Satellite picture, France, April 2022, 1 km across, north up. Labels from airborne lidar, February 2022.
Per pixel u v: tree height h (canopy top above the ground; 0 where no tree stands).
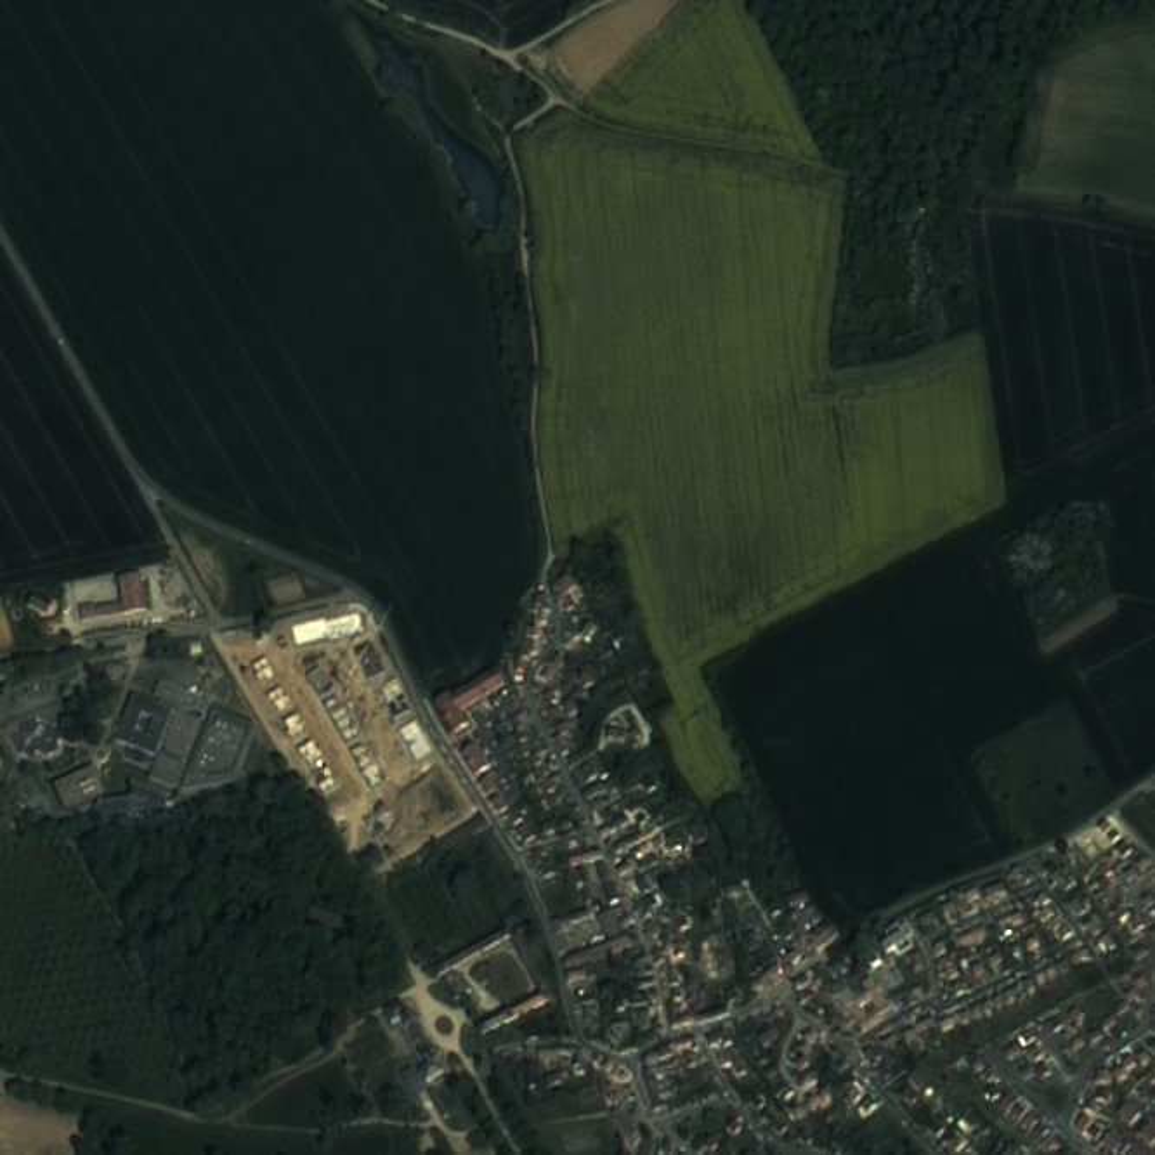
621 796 0
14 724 0
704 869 8
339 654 0
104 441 0
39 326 0
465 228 0
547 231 0
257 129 0
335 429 0
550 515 0
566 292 0
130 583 0
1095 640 0
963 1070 0
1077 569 10
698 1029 0
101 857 26
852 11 24
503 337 12
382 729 0
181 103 0
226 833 30
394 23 10
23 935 8
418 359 0
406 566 0
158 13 0
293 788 22
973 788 0
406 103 0
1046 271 0
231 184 0
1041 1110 0
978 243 0
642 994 6
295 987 28
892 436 0
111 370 0
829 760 0
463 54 0
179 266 0
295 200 0
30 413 0
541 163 0
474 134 0
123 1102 0
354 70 0
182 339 0
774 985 0
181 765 0
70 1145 0
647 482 0
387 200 0
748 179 0
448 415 0
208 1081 14
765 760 0
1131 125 0
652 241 0
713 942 0
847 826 0
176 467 0
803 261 0
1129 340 0
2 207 0
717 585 0
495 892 0
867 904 0
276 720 0
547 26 0
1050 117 0
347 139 0
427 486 0
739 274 0
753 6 14
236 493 0
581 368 0
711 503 0
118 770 0
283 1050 26
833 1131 9
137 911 23
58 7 0
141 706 0
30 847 5
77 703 12
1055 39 21
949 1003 0
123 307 0
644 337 0
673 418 0
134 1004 12
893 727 0
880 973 0
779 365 0
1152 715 0
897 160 19
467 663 0
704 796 0
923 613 0
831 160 6
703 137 0
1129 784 0
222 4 0
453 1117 0
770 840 11
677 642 0
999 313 0
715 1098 0
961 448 0
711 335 0
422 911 0
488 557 0
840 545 0
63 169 0
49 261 0
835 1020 10
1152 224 0
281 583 0
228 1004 29
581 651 0
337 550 0
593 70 0
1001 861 0
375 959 27
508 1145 10
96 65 0
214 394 0
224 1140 0
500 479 0
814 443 0
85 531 0
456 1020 0
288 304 0
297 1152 0
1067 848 0
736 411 0
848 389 0
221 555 0
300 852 31
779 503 0
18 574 0
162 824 22
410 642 0
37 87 0
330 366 0
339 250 0
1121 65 0
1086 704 0
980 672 0
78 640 0
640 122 0
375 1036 0
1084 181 0
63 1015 10
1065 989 0
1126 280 0
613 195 0
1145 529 0
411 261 0
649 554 0
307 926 6
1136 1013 0
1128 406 0
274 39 0
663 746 16
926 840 0
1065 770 0
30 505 0
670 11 0
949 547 0
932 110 23
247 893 23
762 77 0
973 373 0
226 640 0
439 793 0
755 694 0
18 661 13
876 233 8
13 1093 15
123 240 0
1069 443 0
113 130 0
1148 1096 0
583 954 0
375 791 0
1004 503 0
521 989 0
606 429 0
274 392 0
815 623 0
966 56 25
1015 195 0
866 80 22
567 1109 0
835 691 0
